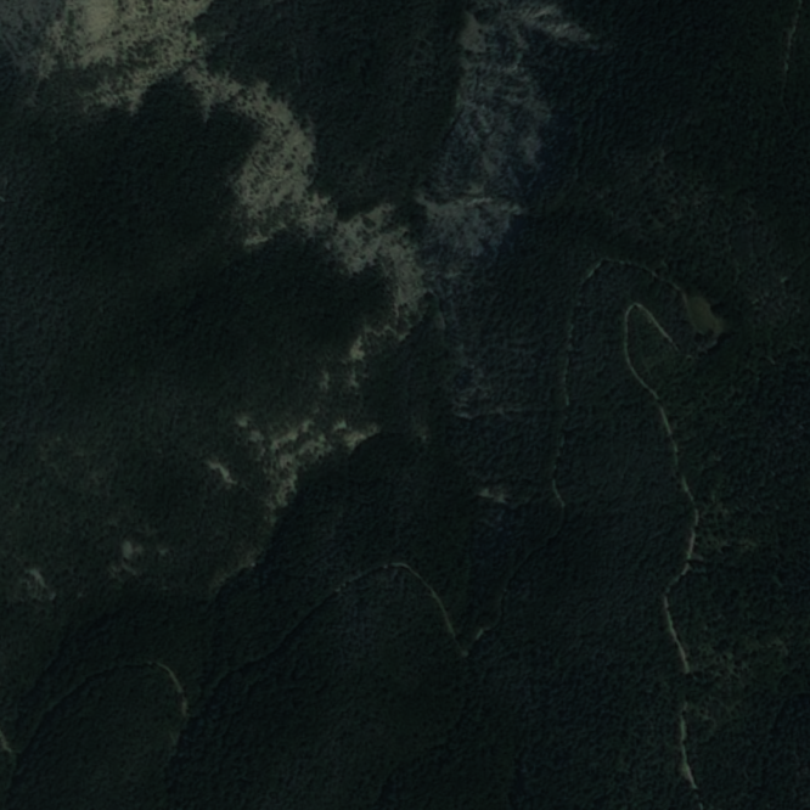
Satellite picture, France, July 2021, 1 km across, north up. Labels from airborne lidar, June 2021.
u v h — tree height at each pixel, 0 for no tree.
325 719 14
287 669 26
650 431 13
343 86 23
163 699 16
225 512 8
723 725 6
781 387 24
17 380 7
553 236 19
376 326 6
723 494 8
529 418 9
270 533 9
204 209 10
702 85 17
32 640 8
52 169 14
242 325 16
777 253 13
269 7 10
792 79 13
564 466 15
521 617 13
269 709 24
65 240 13
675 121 14
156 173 16
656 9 21
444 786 21
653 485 13
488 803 19
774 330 6
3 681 13
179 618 19
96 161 11
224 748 21
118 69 5
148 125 16
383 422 15
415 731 16
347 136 19
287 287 18
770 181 16
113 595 13
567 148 14
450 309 13
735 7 16
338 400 8
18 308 10
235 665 22
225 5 10
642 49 15
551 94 12
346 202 16
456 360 9
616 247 18
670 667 8
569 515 11
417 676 20
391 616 11
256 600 20
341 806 9
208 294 19
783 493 15
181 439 10
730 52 11
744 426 11
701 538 8
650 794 13
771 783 17
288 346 13
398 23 21
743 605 9
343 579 10
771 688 14
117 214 16
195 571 9
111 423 8
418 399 14
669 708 7
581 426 11
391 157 14
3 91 12
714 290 11
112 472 7
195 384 10
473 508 13
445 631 18
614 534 15
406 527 17
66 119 6
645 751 14
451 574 15
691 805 19
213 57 10
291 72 14
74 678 24
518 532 20
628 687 15
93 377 15
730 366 14
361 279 9
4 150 11
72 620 12
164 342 18
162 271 14
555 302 11
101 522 7
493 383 6
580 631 11
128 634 27
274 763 15
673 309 17
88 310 11
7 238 12
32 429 13
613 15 16
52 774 25
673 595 12
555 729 17
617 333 14
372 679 15
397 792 20
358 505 13
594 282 6
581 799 12
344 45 24
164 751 12
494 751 26
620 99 17
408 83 17
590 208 9
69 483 7
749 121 21
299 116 8
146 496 12
